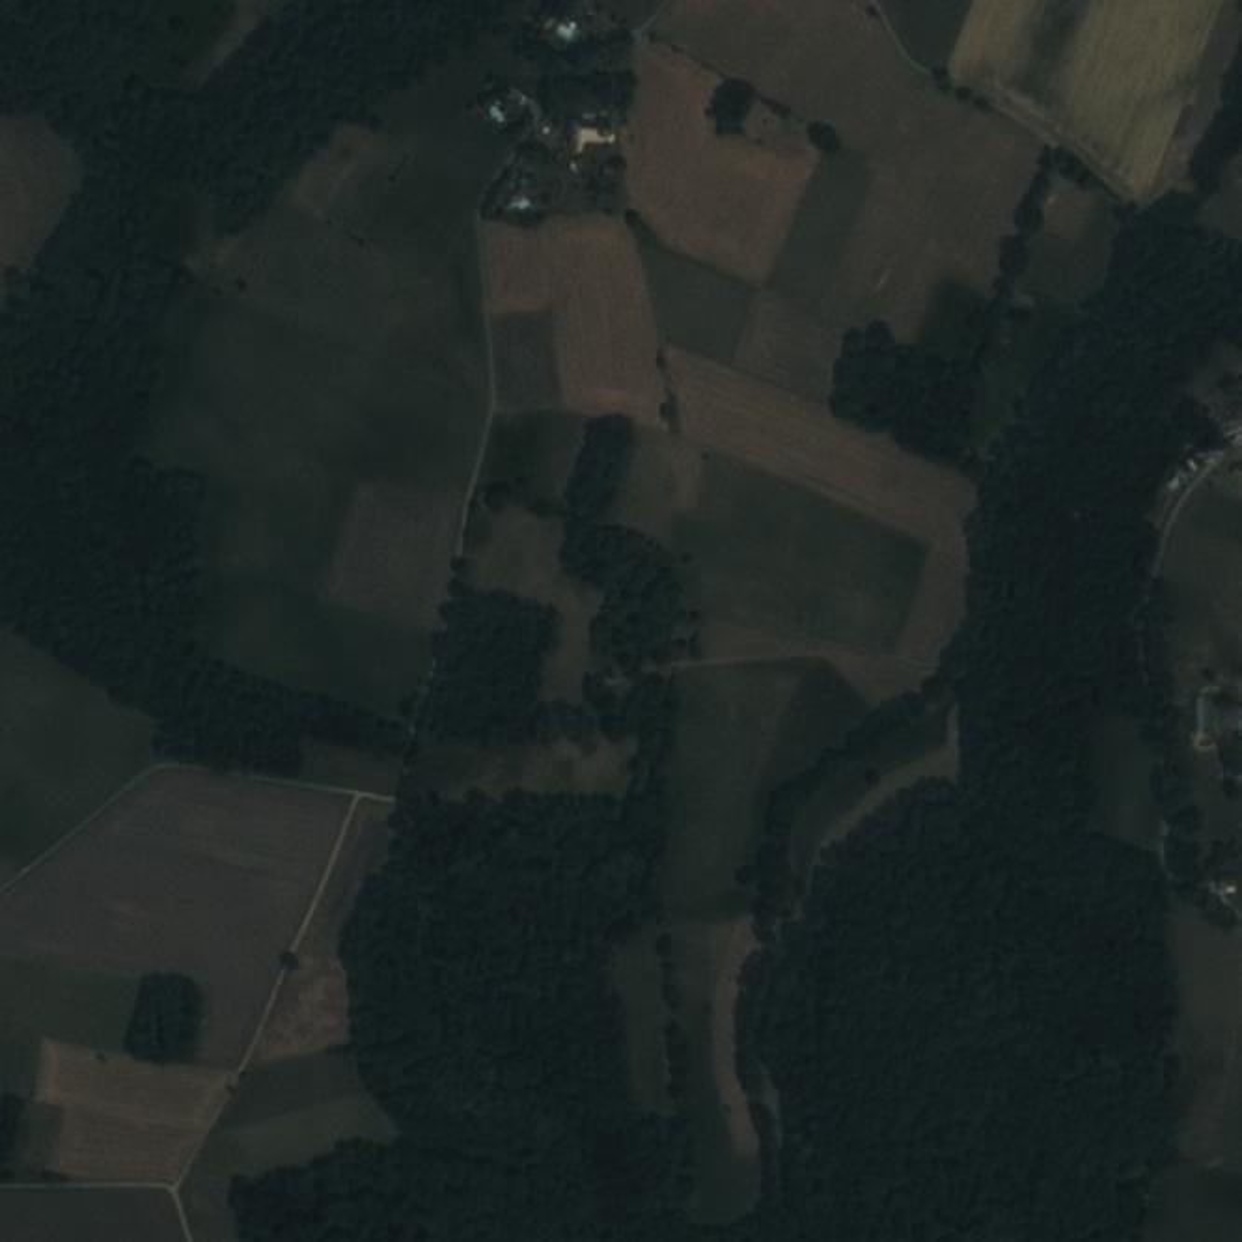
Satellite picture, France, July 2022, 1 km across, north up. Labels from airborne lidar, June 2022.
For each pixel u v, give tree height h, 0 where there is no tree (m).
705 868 0
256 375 0
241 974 0
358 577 0
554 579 0
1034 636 30
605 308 0
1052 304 0
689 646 9
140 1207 0
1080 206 0
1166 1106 27
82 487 25
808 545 0
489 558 0
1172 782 17
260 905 0
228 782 0
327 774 0
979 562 21
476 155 0
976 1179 6
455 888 29
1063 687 31
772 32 0
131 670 25
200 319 0
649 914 25
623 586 8
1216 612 0
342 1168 24
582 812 22
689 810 0
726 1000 0
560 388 0
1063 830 25
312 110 24
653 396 0
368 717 12
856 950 24
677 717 14
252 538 0
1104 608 25
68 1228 0
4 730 0
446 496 0
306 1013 0
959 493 0
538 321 0
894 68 0
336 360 0
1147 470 23
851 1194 18
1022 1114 26
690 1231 13
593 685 16
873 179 0
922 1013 18
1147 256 28
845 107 0
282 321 0
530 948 27
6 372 20
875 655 0
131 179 28
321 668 0
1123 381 25
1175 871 18
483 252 0
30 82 24
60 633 18
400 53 19
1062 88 0
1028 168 0
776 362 0
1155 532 17
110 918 0
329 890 0
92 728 0
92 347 25
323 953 0
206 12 0
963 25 0
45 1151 0
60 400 27
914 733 0
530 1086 25
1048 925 24
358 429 0
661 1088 0
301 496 0
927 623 0
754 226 0
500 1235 25
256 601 0
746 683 0
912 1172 25
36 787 0
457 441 0
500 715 17
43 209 0
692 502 0
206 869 0
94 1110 0
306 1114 0
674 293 0
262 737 21
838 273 0
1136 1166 22
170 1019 21
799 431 0
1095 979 26
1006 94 0
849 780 0
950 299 0
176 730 16
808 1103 25
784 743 0
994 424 0
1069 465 26
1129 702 22
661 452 0
